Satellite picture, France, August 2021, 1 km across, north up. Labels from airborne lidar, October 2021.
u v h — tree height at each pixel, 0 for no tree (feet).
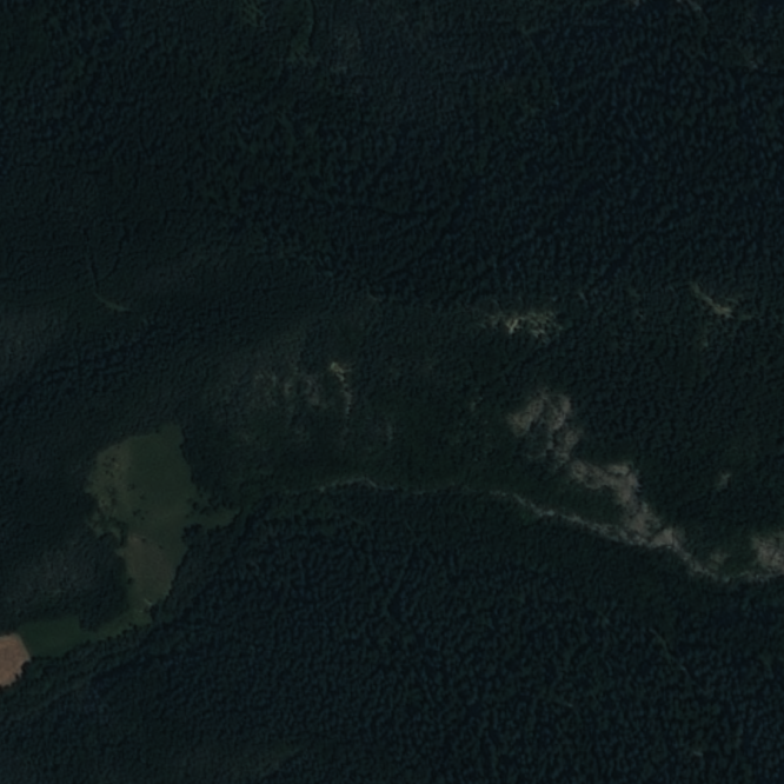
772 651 46
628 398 57
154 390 58
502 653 59
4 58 105
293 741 53
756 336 36
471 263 64
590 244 62
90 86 51
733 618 36
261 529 69
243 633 102
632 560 48
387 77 44
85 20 52
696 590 50
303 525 68
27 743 75
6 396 86
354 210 49
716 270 38
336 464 42
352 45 44
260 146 87
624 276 73
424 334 50
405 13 39
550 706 64
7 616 41
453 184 75
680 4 60
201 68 64
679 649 47
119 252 59
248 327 71
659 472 38
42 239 61
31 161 98
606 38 69
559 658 67
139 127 73
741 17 62
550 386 33
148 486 0
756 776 25
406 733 81
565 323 57
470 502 39
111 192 63
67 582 34
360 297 59
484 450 29
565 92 75
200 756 40
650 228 69
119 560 40
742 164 61
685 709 91
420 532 41
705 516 53
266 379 30
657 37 66
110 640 35
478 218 71
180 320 73
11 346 37
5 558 52
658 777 49
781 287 70
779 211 48
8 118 97
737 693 94
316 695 108
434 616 84
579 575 50
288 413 23
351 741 75
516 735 90
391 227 71
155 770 37
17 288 70
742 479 52
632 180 56
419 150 96
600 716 28
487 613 60
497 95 34
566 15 35
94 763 50
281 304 60
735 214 61
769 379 45
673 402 80
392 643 25
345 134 85
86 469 32
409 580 70
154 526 0
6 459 66
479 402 24
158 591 0
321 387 23
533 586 100
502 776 47
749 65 26
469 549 62
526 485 41
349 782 51
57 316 44
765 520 51
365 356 43
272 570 69
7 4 76
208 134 87
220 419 41
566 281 67
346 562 106
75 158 67
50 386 89
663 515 36
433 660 78
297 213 76
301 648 83
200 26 67
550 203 83
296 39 33
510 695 86
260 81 33
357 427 37
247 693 90
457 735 71
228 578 76
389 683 94
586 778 54
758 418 38
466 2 74
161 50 114
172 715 65
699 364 42
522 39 94
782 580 26
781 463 45
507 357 31
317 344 45
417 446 26
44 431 79
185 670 65
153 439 0
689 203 53
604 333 88
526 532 52
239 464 44
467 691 79
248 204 76
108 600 85
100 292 39
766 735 92
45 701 41
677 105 84
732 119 72
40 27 102
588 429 24
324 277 69
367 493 47
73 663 42
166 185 68
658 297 45
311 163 38
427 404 22
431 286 58
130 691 85
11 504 68
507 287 54
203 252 33
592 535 24
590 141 65
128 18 110
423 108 61
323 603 99
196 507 35
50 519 66
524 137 41
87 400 78
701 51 124
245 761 35
